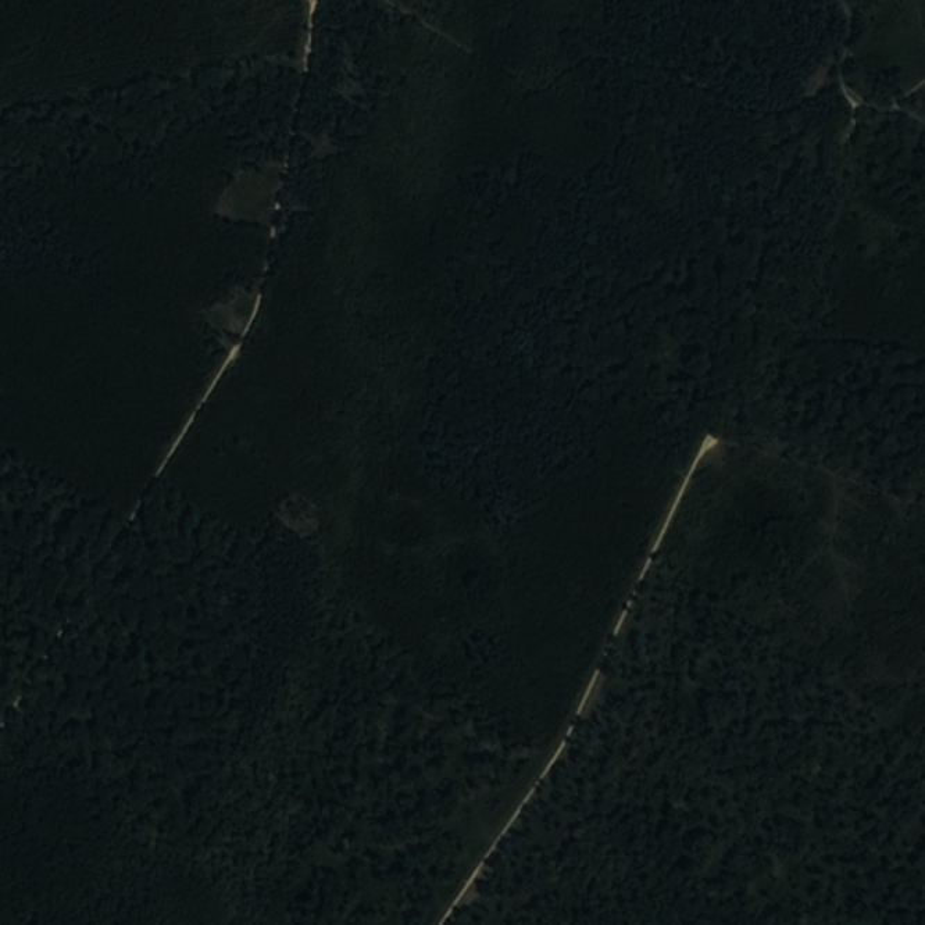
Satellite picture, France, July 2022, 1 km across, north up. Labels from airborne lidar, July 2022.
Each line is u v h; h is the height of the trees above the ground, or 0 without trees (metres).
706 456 0
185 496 7
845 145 9
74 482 16
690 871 23
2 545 20
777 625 7
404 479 6
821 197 14
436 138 8
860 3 20
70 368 15
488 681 7
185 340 13
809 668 11
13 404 16
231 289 18
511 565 7
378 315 7
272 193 0
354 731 21
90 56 7
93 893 16
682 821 26
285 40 6
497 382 18
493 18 15
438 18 11
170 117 24
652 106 15
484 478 14
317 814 13
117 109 23
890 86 19
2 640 7
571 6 13
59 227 21
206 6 12
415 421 11
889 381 30
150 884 17
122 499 20
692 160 27
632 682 24
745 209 22
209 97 19
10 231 23
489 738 26
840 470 21
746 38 14
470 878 0
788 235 22
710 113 22
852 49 18
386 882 26
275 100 12
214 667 7
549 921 22
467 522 6
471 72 9
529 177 20
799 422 21
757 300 29
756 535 14
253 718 14
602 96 17
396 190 9
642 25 24
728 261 30
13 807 18
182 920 13
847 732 18
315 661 19
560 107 14
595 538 13
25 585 21
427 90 7
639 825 27
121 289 13
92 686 26
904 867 29
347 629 21
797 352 31
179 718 29
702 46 15
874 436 28
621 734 23
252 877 19
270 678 11
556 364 20
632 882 18
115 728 25
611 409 18
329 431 6
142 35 8
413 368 9
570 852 19
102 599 21
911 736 27
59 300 16
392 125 9
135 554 27
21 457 25
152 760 25
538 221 14
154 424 15
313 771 27
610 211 22
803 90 24
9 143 25
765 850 23
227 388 7
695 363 27
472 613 7
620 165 23
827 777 25
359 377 7
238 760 20
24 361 15
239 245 17
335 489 6
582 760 23
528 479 18
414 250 12
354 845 28
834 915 25
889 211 6
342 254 8
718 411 18
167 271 13
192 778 19
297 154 16
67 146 16
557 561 11
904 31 0
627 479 13
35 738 23
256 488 6
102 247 15
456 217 16
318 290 11
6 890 19
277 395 7
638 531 9
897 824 30
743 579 15
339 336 7
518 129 11
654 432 18
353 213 7
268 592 17
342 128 22
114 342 16
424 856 27
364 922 25
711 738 19
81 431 15
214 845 21
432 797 25
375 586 11
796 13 24
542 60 14
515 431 23
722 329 26
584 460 20
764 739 18
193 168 12
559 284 17
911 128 23
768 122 19
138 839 15
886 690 12
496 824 0
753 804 19
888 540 10
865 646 9
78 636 24
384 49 11
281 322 10
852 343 26
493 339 13
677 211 20
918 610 8
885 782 26
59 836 23
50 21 15
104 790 27
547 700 6
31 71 6
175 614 25
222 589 23
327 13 16
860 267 7
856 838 23
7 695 21
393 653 21
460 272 14
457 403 15
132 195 14
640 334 29
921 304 6
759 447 18
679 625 17
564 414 19
